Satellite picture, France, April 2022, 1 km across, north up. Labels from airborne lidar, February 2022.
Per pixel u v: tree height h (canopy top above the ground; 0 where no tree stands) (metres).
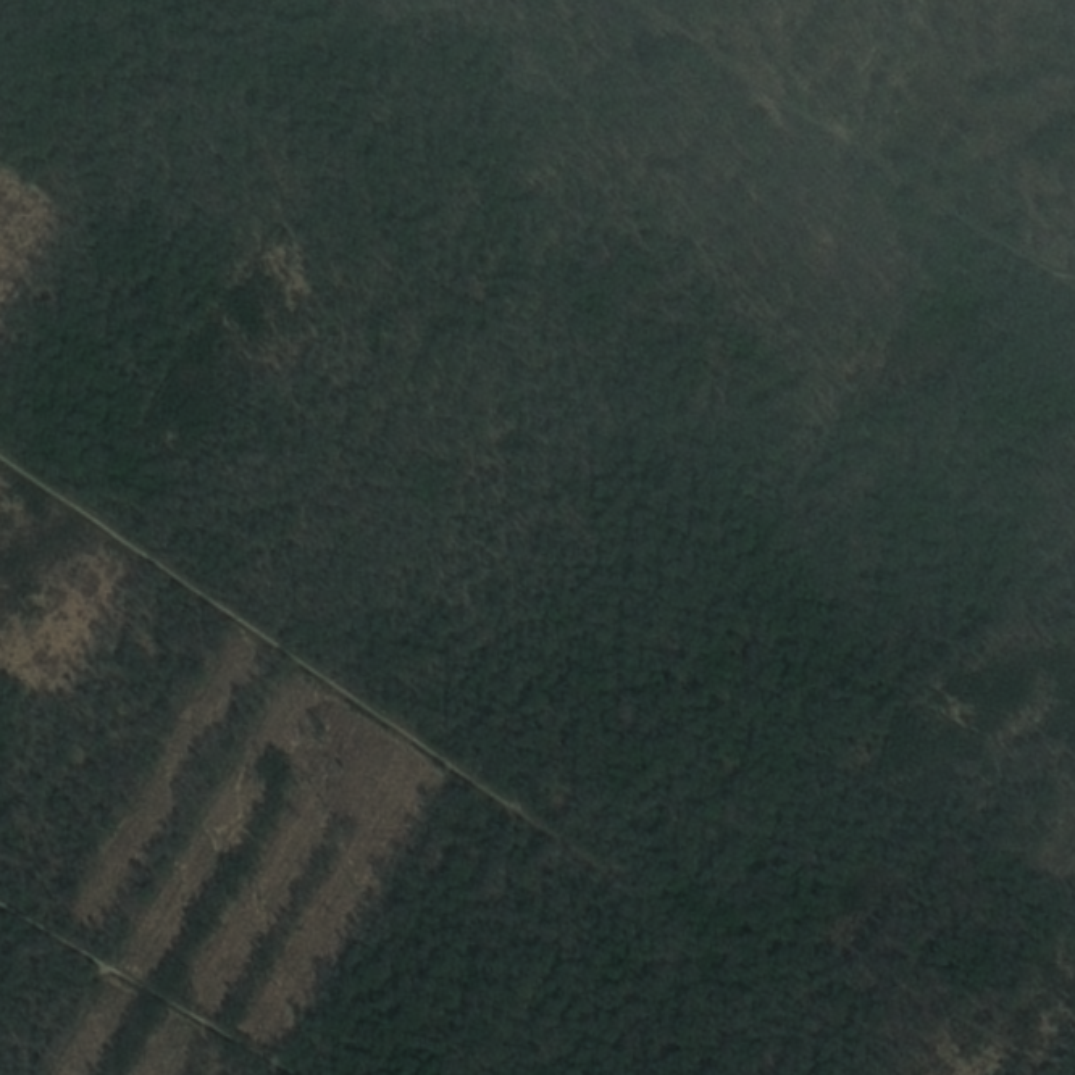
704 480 24
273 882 0
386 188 24
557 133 23
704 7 29
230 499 20
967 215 21
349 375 19
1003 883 24
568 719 25
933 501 25
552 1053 23
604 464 24
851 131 0
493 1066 24
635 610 22
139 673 28
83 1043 0
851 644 23
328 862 13
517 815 0
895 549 24
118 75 26
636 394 22
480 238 14
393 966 29
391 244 26
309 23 27
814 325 26
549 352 19
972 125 0
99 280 22
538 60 23
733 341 23
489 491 18
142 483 27
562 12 23
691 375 22
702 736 25
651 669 20
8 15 24
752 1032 20
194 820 20
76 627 0
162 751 17
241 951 0
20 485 6
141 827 0
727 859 19
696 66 30
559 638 24
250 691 15
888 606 27
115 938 20
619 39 27
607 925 27
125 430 18
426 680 23
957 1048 0
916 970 30
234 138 22
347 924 0
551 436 23
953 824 15
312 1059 25
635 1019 25
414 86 20
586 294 22
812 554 27
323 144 21
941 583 27
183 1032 0
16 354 22
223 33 20
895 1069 25
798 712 29
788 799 23
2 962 21
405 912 28
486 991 25
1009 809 24
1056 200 0
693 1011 26
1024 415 18
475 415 21
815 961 19
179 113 20
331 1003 23
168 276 21
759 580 19
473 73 17
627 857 22
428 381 24
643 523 27
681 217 19
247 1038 6
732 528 17
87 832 23
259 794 0
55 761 23
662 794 19
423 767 0
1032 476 26
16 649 0
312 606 26
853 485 29
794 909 27
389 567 23
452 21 20
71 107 21
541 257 24
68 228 21
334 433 24
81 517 0
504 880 21
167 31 27
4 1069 21
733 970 24
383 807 0
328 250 23
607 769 24
